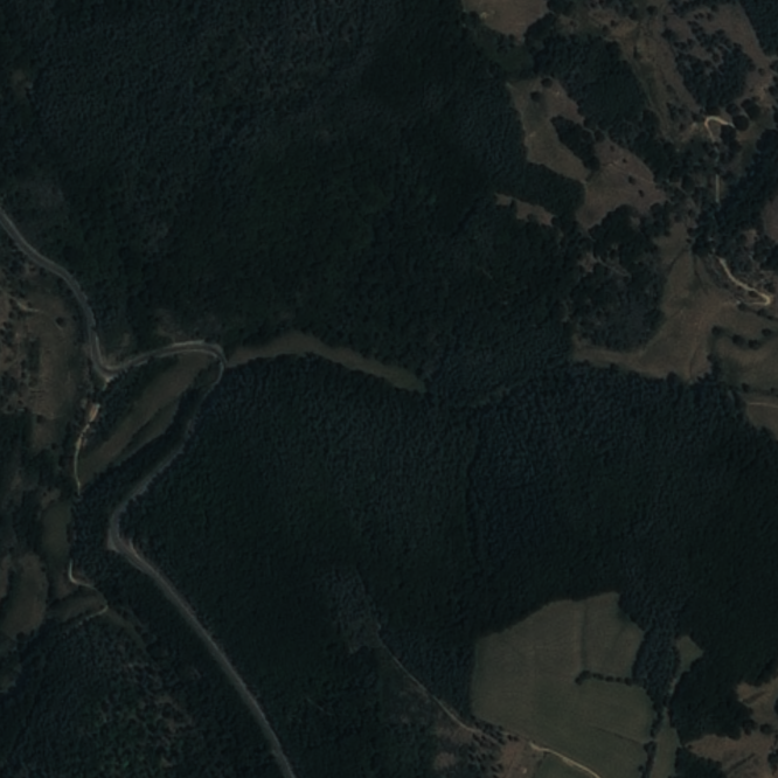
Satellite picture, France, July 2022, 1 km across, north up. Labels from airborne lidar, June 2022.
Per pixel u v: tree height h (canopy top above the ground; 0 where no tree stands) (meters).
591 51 18
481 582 21
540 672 0
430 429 28
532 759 0
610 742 0
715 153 10
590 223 0
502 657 0
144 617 17
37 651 15
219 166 30
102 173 19
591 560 16
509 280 16
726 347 0
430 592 19
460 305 15
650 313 9
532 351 19
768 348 0
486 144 22
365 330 7
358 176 16
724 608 19
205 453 15
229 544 14
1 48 23
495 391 26
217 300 19
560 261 10
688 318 0
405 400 23
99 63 26
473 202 10
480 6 0
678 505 18
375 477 15
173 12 15
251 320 6
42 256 7
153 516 14
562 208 14
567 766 0
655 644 16
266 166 16
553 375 12
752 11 19
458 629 20
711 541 22
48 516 0
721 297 0
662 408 23
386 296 12
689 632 16
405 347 6
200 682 8
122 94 22
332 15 15
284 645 20
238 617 21
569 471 20
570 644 0
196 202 16
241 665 20
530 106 0
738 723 17
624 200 0
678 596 15
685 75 9
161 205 8
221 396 12
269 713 18
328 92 18
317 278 14
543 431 19
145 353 9
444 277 14
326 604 16
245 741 21
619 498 17
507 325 13
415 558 19
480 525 17
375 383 23
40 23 13
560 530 21
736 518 23
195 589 18
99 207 17
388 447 17
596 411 20
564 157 0
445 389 19
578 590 18
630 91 21
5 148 19
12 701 17
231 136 13
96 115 17
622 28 0
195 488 13
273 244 12
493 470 15
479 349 9
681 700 19
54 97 16
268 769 17
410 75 17
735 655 23
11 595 7
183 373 0
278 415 16
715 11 12
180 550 18
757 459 22
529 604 13
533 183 17
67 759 16
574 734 0
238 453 15
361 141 14
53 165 8
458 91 19
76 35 25
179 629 24
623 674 0
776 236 0
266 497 17
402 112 14
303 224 19
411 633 21
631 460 19
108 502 15
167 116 10
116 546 0
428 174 8
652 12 17
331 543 14
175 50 15
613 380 17
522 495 13
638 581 17
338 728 11
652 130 12
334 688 18
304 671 18
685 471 18
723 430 20
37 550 13
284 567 21
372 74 14
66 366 0
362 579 12
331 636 17
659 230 17
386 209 7
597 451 16
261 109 14
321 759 21
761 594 22
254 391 20
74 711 20
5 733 22
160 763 7
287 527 13
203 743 6
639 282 19
